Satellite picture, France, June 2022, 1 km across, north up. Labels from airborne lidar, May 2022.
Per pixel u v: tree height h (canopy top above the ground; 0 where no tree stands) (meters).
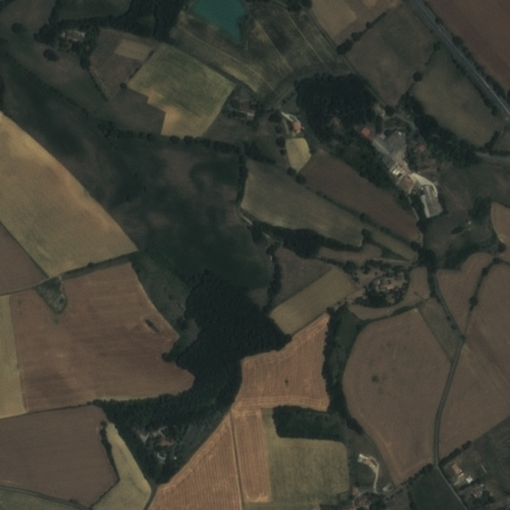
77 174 0
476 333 0
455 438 0
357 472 0
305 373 0
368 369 0
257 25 0
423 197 0
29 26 0
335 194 0
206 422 8
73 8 0
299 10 13
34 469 0
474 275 0
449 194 0
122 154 0
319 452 0
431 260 13
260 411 0
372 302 14
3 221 0
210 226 0
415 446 0
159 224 0
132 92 0
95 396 0
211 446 0
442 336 0
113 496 0
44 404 0
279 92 0
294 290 0
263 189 0
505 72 0
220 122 0
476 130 0
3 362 0
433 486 0
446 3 0
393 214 0
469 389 0
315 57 0
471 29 0
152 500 0
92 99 0
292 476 0
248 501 0
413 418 0
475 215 7
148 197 0
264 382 0
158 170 0
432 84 0
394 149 0
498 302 0
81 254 0
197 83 0
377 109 0
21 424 0
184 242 0
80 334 0
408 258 0
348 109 19
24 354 0
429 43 0
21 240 0
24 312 0
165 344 0
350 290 0
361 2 0
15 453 0
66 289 0
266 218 0
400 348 0
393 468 0
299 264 0
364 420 0
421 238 0
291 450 0
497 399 0
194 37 0
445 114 0
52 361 0
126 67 0
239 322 17
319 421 13
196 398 13
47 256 0
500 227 0
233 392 15
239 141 0
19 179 0
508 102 8
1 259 0
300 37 0
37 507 0
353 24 0
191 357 20
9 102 0
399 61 0
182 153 0
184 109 0
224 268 0
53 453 0
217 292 22
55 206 0
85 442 0
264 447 0
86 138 0
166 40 15
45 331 0
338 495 0
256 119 10
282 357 0
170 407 14
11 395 0
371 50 0
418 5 0
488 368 0
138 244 0
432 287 8
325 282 0
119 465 0
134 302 0
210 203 0
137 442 6
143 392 0
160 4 18
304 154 0
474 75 0
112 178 0
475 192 0
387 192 0
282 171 0
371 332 0
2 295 0
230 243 0
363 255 0
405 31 0
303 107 10
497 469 0
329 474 0
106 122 0
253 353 14
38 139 0
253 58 0
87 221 0
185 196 0
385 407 0
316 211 0
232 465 0
